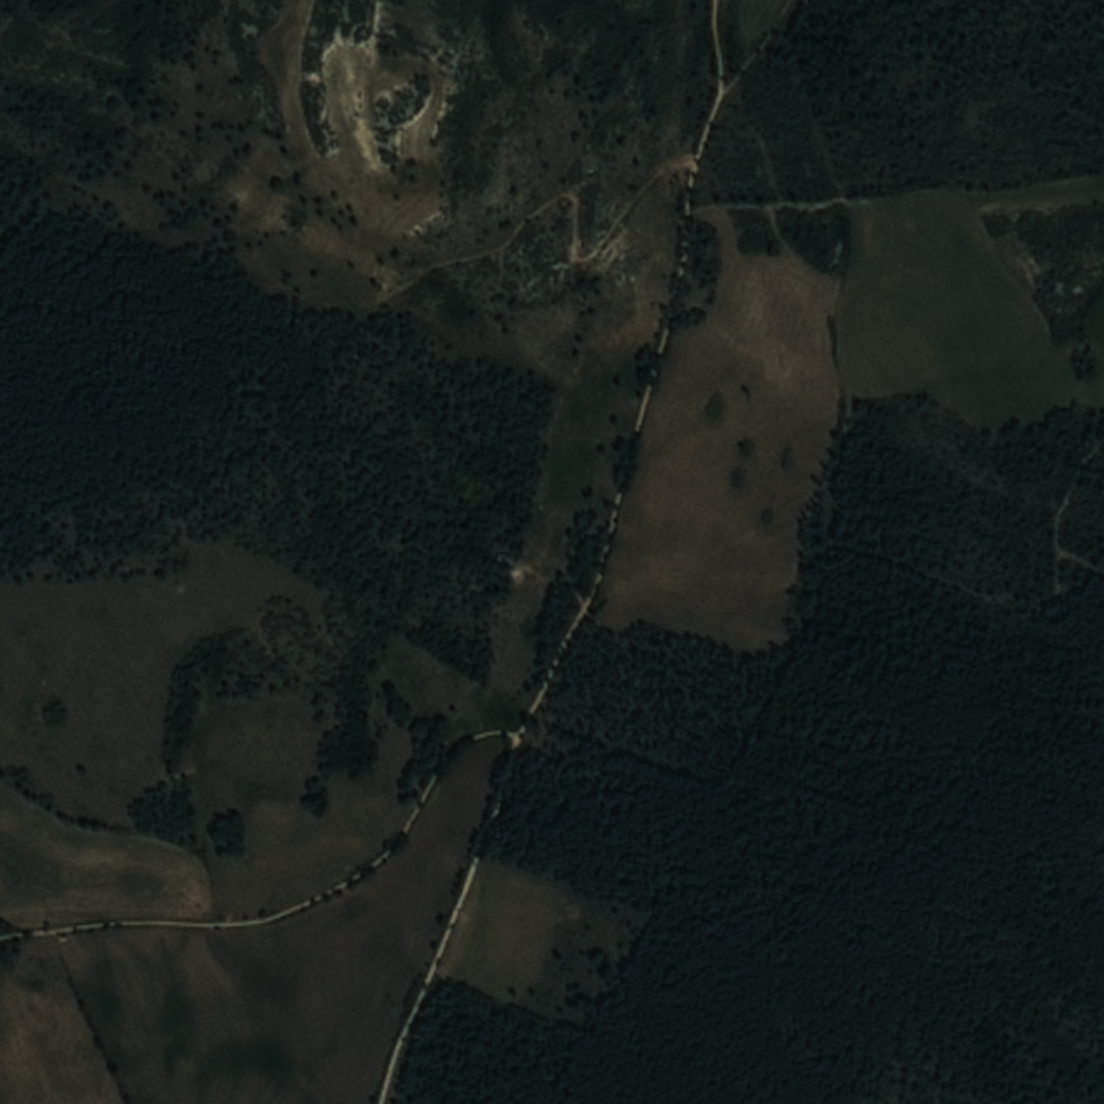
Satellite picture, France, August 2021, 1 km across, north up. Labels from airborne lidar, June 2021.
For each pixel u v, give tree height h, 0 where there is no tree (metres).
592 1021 10
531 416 13
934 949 10
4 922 9
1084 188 0
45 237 13
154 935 0
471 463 10
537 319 0
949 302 0
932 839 12
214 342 14
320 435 7
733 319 0
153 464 9
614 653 16
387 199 0
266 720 0
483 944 0
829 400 0
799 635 7
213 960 0
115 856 0
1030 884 11
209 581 0
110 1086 0
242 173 0
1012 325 0
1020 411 0
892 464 10
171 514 7
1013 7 6
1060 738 8
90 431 15
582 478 0
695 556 0
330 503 10
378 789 0
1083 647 9
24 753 0
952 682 13
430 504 9
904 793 12
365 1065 0
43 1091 0
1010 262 0
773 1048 14
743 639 0
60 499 10
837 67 14
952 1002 11
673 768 15
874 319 0
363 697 7
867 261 0
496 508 11
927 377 0
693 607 0
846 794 6
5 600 0
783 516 0
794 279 0
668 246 0
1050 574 8
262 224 0
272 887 0
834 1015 13
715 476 0
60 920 0
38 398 15
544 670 11
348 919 0
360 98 0
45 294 17
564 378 0
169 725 6
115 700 0
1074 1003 10
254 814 0
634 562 0
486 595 8
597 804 15
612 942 0
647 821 15
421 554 12
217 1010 0
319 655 7
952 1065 11
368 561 10
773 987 13
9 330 15
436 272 7
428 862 0
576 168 0
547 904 0
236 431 14
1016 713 9
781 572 0
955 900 13
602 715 14
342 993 0
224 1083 0
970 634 6
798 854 6
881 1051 12
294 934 0
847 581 13
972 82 8
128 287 11
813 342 0
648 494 0
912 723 11
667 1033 14
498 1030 11
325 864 0
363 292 0
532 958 0
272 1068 0
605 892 13
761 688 13
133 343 16
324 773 9
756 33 0
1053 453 6
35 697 0
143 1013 0
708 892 8
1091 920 14
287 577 0
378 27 0
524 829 16
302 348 11
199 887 0
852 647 16
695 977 13
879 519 6
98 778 0
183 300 14
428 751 14
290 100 0
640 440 10
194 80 0
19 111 12
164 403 12
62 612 0
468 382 7
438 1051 7
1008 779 14
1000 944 9
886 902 13
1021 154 7
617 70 8
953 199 0
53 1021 0
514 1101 11
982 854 14
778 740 15
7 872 0
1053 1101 13
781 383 0
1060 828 14
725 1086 13
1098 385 0
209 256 10
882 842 11
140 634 0
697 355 0
